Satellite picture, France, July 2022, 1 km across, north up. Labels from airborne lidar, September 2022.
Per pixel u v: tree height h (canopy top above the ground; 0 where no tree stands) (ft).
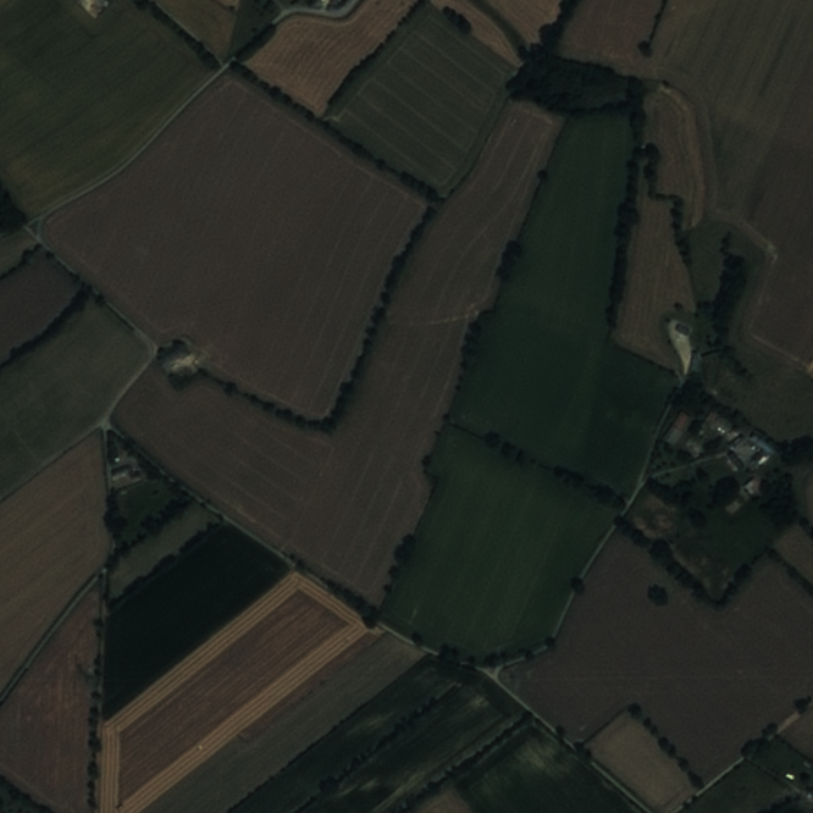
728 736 0
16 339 0
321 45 0
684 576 54
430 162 0
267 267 0
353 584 0
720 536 0
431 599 0
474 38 0
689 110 0
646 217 0
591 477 0
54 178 0
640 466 0
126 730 0
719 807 0
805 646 0
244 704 0
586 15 0
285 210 0
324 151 0
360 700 0
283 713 0
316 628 0
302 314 0
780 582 0
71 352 0
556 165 0
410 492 0
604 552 0
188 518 0
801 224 0
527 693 0
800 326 0
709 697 0
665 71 0
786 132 0
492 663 52
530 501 0
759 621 0
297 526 0
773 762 0
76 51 0
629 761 0
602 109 26
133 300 0
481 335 67
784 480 19
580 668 0
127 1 0
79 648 0
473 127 0
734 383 0
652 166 23
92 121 0
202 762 0
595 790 0
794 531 0
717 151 0
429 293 0
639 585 0
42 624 0
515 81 38
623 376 0
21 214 27
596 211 0
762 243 0
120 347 0
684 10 0
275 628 0
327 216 0
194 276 0
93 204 0
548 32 64
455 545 0
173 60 0
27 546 0
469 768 39
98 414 0
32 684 0
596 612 0
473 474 0
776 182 0
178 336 0
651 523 0
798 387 0
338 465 0
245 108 0
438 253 0
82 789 0
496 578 0
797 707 49
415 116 0
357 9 0
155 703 0
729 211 0
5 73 0
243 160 0
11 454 0
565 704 0
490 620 0
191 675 0
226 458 0
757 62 0
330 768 0
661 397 0
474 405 0
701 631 0
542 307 0
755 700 0
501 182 0
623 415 0
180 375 0
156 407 0
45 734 0
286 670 0
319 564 0
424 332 0
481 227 0
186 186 0
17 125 0
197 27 0
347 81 22
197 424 0
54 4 0
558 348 0
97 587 0
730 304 69
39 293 0
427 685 0
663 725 0
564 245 0
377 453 0
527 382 0
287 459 0
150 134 0
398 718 0
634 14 0
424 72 0
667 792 0
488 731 0
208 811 0
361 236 0
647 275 0
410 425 0
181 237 0
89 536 0
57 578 0
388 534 0
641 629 0
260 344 0
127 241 0
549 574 0
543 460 0
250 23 0
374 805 0
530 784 0
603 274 0
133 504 0
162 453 0
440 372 0
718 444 24
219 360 0
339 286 0
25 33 0
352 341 0
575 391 0
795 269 0
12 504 0
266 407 37
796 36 0
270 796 0
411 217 0
